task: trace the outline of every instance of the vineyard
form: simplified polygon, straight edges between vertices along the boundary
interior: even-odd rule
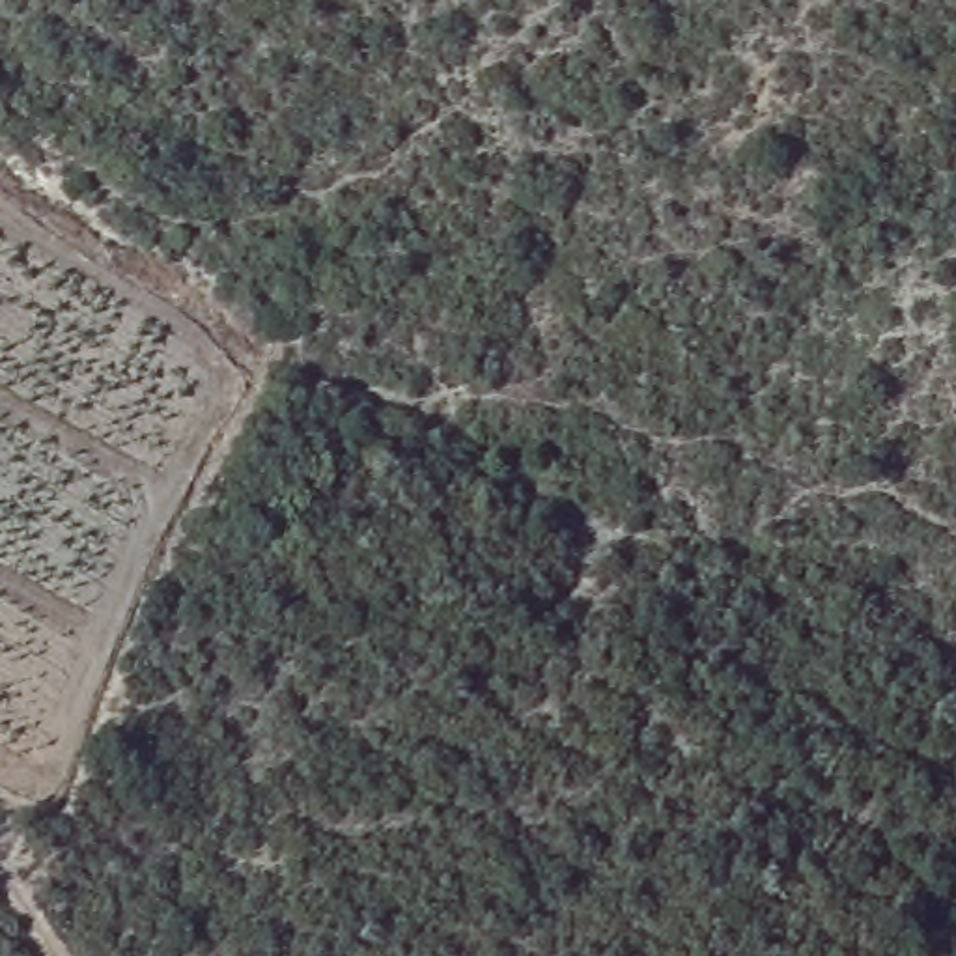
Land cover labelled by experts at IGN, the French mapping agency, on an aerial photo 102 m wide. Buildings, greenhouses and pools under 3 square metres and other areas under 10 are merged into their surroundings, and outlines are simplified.
[[[97,736],[112,721],[123,721],[127,713],[123,665],[134,650],[134,631],[127,627],[127,609],[134,601],[146,601],[146,590],[176,568],[183,527],[194,512],[213,504],[209,485],[224,471],[246,418],[261,403],[273,362],[284,359],[284,344],[265,340],[254,329],[250,310],[239,310],[217,295],[217,276],[205,265],[194,265],[187,258],[168,261],[161,246],[149,246],[138,235],[112,228],[97,205],[67,194],[60,176],[37,172],[15,149],[0,149],[0,803],[37,807],[49,795],[60,795],[63,814],[78,810],[78,792],[90,780],[86,754],[78,751],[82,739]]]

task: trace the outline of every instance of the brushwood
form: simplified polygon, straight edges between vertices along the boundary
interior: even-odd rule
[[[30,919],[11,907],[7,870],[0,870],[0,956],[45,956],[34,941]]]
[[[956,0],[0,0],[0,149],[15,149],[37,172],[60,176],[67,194],[97,205],[112,228],[138,235],[149,246],[161,246],[168,261],[187,258],[194,265],[205,265],[217,276],[217,295],[239,310],[250,310],[254,329],[265,340],[284,344],[284,359],[273,362],[261,403],[246,418],[224,471],[209,485],[213,504],[194,512],[183,527],[176,568],[146,590],[146,601],[134,601],[127,609],[127,627],[134,631],[134,650],[123,665],[127,713],[123,721],[112,721],[97,736],[82,739],[78,751],[86,754],[90,780],[78,792],[78,810],[63,814],[60,795],[49,795],[37,807],[0,803],[0,833],[22,833],[26,844],[41,840],[56,848],[60,874],[49,878],[49,885],[34,896],[45,907],[56,934],[63,937],[63,945],[71,949],[71,956],[956,956]]]

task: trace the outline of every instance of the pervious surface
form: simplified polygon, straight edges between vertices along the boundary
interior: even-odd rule
[[[63,945],[63,937],[56,934],[45,907],[34,896],[49,885],[49,878],[60,874],[56,848],[41,840],[26,844],[22,833],[0,833],[0,870],[7,870],[11,907],[30,919],[34,941],[45,956],[71,956],[71,949]]]

